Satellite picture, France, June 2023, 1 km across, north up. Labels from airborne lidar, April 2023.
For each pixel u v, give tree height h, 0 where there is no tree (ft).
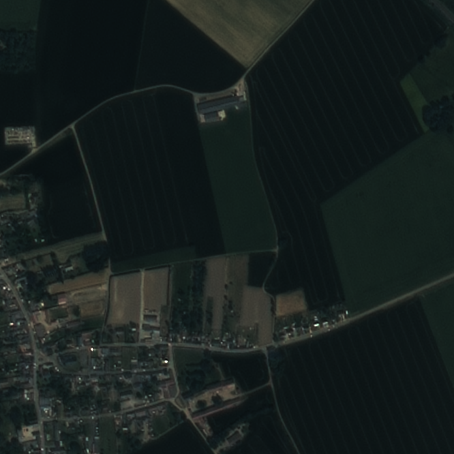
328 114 0
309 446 0
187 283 0
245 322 0
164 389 0
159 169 0
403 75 0
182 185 0
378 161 0
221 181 0
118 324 0
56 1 0
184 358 0
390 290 0
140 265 0
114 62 0
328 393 0
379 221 0
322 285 0
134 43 0
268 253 0
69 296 0
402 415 0
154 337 0
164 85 0
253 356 0
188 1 0
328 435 0
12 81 0
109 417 0
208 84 0
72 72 0
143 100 0
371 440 0
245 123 0
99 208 0
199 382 57
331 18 0
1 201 0
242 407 0
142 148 0
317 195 0
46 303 0
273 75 0
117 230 0
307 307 0
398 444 0
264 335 0
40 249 0
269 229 0
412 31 0
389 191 0
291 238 0
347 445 0
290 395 0
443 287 0
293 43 0
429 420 0
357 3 0
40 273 35
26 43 57
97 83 0
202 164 0
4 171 0
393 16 0
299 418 0
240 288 0
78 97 0
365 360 0
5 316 0
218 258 0
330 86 0
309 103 0
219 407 0
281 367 64
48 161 0
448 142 0
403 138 0
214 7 0
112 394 0
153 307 0
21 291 24
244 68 0
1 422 71
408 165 0
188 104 0
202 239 0
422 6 0
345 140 0
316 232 0
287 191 0
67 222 0
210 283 0
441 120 77
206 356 42
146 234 0
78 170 0
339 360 0
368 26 0
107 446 0
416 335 0
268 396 0
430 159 0
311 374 0
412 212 0
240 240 0
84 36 0
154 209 0
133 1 0
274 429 0
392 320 0
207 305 0
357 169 0
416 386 0
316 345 0
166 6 0
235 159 0
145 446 0
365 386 0
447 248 0
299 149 0
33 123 0
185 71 0
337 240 0
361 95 0
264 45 0
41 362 0
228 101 0
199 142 0
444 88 0
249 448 0
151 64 0
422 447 0
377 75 0
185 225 0
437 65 0
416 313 0
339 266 0
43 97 0
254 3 0
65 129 0
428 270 0
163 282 0
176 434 0
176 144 0
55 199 0
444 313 0
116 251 0
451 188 0
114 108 0
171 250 0
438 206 0
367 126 0
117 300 0
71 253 0
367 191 0
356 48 0
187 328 22
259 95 0
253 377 0
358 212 0
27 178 29
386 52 0
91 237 0
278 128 0
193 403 0
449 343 0
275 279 0
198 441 0
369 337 0
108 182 0
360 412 0
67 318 0
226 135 0
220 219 0
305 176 0
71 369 0
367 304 0
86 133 0
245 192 0
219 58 0
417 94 0
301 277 0
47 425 30
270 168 0
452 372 0
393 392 0
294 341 0
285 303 0
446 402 0
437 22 0
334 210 0
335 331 0
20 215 0
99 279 0
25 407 34
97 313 0
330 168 0
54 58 0
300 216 0
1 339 19
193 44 0
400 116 0
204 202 0
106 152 0
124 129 0
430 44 0
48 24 0
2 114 0
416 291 0
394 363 0
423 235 0
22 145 0
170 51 0
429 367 0
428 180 0
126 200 0
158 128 0
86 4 0
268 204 0
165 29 0
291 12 0
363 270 0
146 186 0
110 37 0
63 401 25
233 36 0
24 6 0
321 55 0
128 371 0
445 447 0
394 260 0
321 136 0
